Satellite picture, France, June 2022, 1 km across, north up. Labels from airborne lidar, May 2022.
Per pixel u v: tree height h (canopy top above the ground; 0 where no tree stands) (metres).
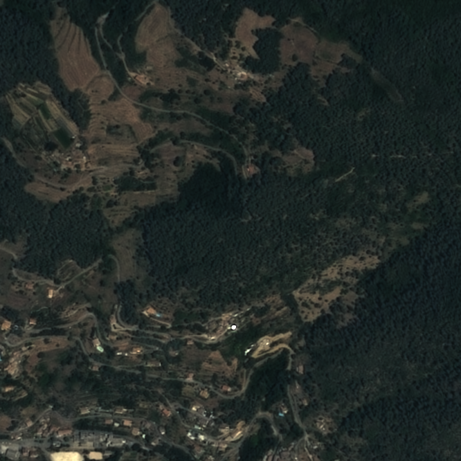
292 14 14
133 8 20
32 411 0
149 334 8
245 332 6
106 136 0
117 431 10
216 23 17
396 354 7
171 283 19
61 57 0
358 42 11
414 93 17
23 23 18
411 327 21
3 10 25
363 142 8
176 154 0
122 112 0
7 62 20
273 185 22
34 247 23
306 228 14
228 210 19
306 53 0
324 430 0
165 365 14
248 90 6
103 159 0
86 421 8
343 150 23
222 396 0
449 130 11
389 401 8
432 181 19
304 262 9
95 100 0
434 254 23
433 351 10
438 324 14
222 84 8
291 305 10
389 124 22
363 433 17
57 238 20
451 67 19
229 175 11
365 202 17
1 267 0
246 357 8
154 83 0
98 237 22
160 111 0
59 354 0
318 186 21
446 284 17
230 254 20
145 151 10
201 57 12
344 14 11
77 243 16
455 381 14
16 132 7
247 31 0
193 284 19
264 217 21
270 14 17
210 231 17
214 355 0
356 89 11
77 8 9
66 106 16
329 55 0
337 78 20
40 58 20
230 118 11
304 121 21
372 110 15
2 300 0
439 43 20
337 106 19
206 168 9
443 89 14
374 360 6
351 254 15
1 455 6
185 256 16
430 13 6
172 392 8
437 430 10
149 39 0
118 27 10
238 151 13
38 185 0
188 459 9
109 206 15
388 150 23
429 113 16
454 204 23
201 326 6
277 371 13
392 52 14
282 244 22
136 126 0
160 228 23
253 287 9
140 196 0
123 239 0
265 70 15
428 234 22
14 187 23
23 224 22
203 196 14
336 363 13
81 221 21
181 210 7
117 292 17
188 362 0
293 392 0
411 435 7
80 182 0
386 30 17
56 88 19
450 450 9
